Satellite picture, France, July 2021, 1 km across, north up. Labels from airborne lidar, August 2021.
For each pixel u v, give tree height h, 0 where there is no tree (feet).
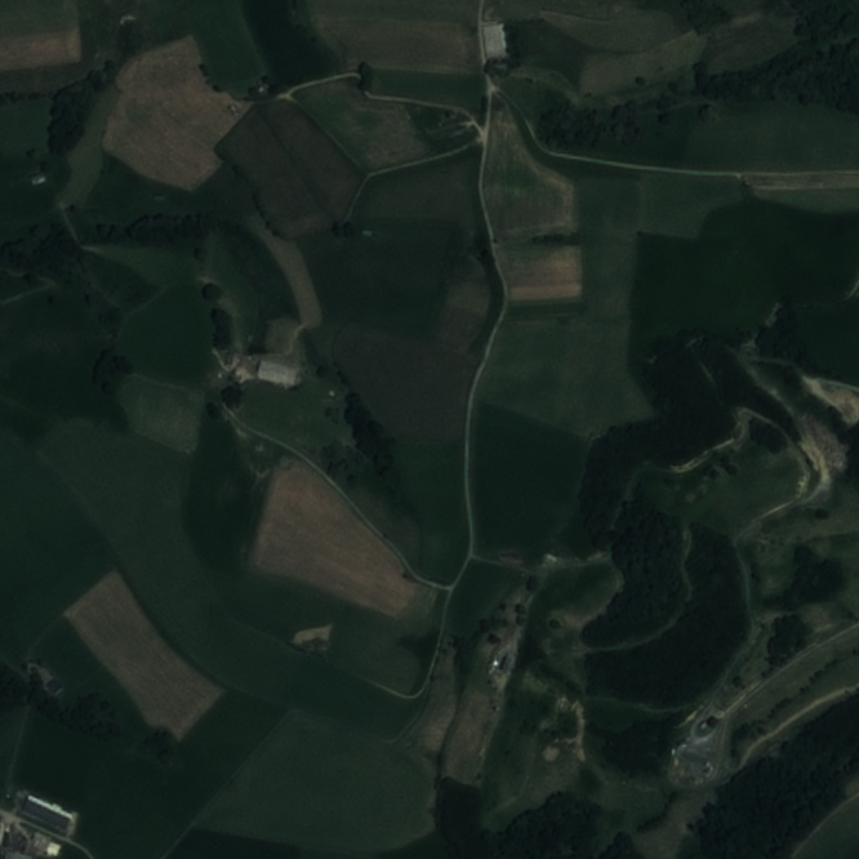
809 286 0
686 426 44
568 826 89
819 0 69
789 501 0
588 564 0
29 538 0
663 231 0
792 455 0
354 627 0
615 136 31
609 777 0
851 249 0
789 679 0
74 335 0
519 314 0
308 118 0
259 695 0
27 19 0
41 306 0
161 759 29
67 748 0
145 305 0
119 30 0
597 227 0
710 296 0
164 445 0
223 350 48
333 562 0
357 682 0
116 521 0
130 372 39
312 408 0
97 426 0
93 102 51
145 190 0
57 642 0
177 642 0
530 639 31
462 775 0
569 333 0
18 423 0
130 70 0
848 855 0
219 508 0
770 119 0
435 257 0
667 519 59
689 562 23
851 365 0
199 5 0
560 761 0
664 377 40
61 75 0
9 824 0
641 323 0
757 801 30
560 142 29
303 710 0
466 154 0
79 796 0
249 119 0
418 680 0
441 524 0
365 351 0
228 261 0
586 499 24
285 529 0
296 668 0
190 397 0
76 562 0
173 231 60
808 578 43
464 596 0
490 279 0
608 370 0
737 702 0
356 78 0
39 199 0
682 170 0
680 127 0
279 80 0
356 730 0
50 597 0
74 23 0
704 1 51
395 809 0
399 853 0
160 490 0
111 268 0
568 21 0
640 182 0
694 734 0
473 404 0
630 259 0
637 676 34
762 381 0
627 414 0
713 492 0
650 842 0
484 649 0
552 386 0
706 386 37
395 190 0
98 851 0
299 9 0
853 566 0
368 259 0
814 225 0
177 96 0
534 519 0
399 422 0
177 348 0
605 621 42
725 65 0
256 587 0
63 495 0
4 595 0
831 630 0
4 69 0
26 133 0
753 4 0
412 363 0
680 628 30
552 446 0
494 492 0
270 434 0
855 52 77
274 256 0
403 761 0
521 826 74
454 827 45
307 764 0
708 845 27
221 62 0
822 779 39
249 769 0
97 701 30
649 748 39
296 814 0
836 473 0
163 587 0
